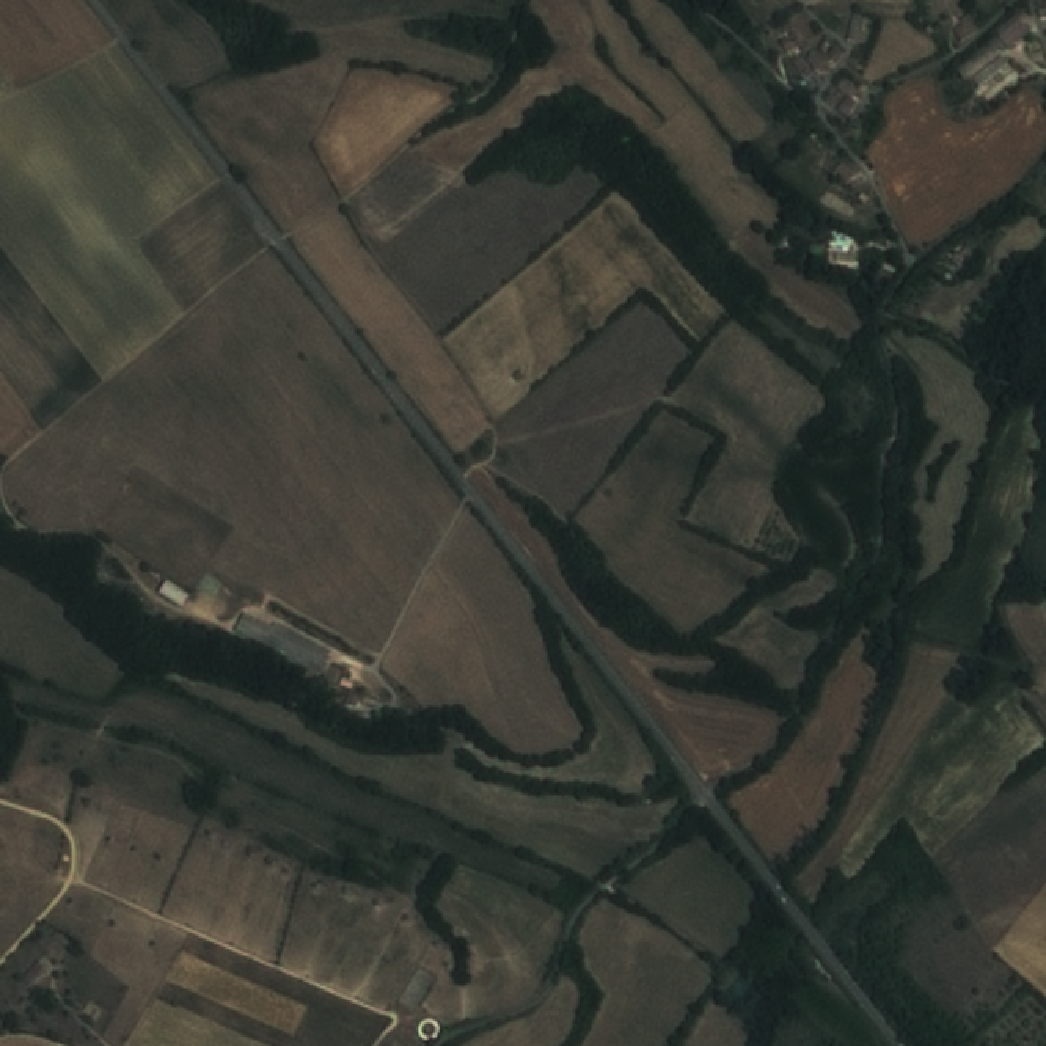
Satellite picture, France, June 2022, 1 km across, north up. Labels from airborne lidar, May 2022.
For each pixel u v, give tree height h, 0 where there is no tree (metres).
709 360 0
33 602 0
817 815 0
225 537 0
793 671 0
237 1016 0
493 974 0
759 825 0
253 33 9
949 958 0
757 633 0
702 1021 0
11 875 0
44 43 0
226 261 0
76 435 0
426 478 0
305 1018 0
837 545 0
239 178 11
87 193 0
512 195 0
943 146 0
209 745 0
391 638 0
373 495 0
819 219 17
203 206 0
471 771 16
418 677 0
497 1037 0
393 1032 0
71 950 10
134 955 0
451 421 0
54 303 0
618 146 12
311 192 0
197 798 20
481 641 0
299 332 0
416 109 0
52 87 0
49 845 0
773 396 0
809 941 10
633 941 0
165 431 0
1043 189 0
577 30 0
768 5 0
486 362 0
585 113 11
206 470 0
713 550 0
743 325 11
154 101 0
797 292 0
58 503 0
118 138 0
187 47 0
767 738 0
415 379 0
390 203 0
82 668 0
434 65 0
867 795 0
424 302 0
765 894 13
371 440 0
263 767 0
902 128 0
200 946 0
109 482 0
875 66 0
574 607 0
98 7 0
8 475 0
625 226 0
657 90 0
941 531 0
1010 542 0
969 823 0
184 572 0
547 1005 0
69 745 0
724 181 0
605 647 0
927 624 0
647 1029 0
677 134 0
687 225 15
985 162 0
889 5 0
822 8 0
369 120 0
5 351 0
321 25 0
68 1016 10
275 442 0
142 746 0
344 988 0
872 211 0
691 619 0
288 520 0
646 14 0
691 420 10
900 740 0
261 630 0
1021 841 0
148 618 9
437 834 0
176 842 0
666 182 15
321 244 0
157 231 0
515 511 0
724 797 16
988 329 21
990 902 0
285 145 0
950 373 0
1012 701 0
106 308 0
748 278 16
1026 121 0
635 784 0
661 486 0
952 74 7
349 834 0
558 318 0
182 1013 0
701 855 0
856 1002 6
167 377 0
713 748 0
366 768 0
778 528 6
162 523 0
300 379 0
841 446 16
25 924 0
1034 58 0
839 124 8
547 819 0
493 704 0
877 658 24
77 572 14
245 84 0
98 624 18
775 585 14
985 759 0
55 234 0
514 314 0
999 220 13
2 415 0
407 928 0
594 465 0
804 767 0
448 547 0
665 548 0
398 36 0
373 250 0
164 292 0
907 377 17
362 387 0
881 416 10
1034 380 20
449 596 0
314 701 12
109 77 0
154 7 0
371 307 0
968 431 0
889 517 11
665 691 0
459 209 0
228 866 0
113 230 0
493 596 0
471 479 0
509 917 0
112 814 0
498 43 14
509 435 0
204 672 12
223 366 0
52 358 0
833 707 0
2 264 0
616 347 0
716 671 13
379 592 0
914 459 14
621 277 0
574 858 0
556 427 0
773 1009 16
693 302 0
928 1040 8
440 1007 0
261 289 0
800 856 17
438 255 0
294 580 0
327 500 0
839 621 11
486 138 0
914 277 9
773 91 9
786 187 19
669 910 0
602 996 10
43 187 0
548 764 13
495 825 0
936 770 0
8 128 0
